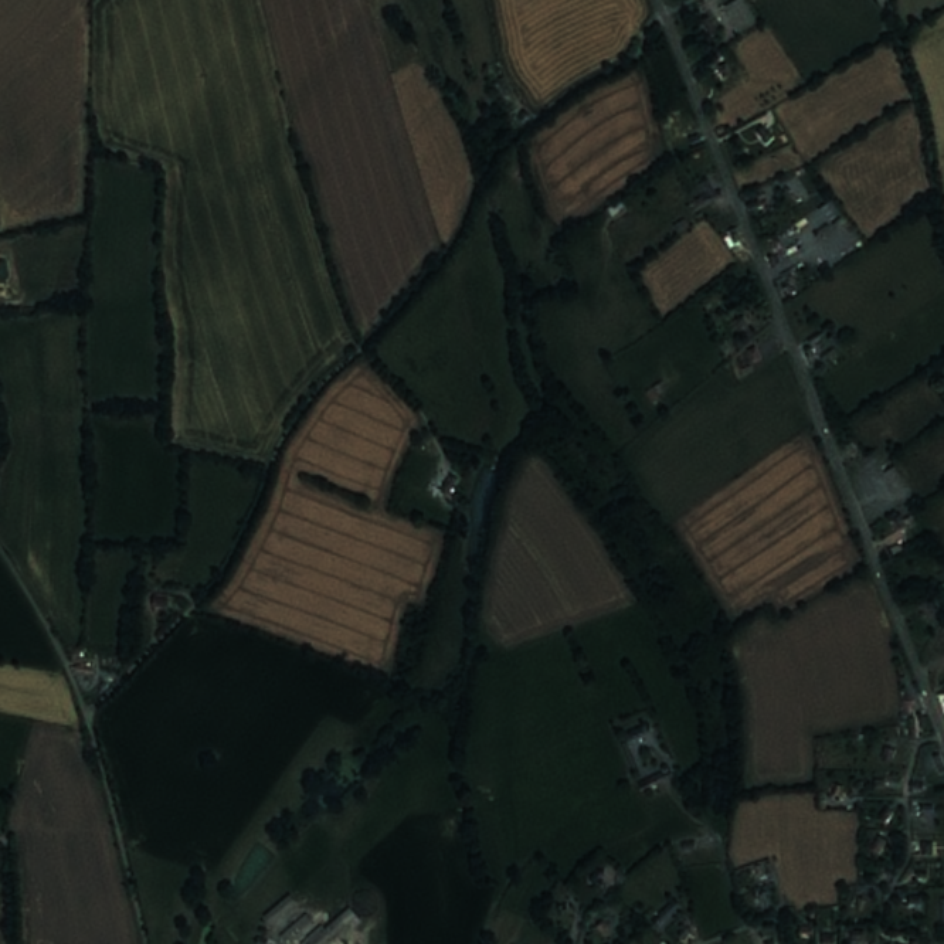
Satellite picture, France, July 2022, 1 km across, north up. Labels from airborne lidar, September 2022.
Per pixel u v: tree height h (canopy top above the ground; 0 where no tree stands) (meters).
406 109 0
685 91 9
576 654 12
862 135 11
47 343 0
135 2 0
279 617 0
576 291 18
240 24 0
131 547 13
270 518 0
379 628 0
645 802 0
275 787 0
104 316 0
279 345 0
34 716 0
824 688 0
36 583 0
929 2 0
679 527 0
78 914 0
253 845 0
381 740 9
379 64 0
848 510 10
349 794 7
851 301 0
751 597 0
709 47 19
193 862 0
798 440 0
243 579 0
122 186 0
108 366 0
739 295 10
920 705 0
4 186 0
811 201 0
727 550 0
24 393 0
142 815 0
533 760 0
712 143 0
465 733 15
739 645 0
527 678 0
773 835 0
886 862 6
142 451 0
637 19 0
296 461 0
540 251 0
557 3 0
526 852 0
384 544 0
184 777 0
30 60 0
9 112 0
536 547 0
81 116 0
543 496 0
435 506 0
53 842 0
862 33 0
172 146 0
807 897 0
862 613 0
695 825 0
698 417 0
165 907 0
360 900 0
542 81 0
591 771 0
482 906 0
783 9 0
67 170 0
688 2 0
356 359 9
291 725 0
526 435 14
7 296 0
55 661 0
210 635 0
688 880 7
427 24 0
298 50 0
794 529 0
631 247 0
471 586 18
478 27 0
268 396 0
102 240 0
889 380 0
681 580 0
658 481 0
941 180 12
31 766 0
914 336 0
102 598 0
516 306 15
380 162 0
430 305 0
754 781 0
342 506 0
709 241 0
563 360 0
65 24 0
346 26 0
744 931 0
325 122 0
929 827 0
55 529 0
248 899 0
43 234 10
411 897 0
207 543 0
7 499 0
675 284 0
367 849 0
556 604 0
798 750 0
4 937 8
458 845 0
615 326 0
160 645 10
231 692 0
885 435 0
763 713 0
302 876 0
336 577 0
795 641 0
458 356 0
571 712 0
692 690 15
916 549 9
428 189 0
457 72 0
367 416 0
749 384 0
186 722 0
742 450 0
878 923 8
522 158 10
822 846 0
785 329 0
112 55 0
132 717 0
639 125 0
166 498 0
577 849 0
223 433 0
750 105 0
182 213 0
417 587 0
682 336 0
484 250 0
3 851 9
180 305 0
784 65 0
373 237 0
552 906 10
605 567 0
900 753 0
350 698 0
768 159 0
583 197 0
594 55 0
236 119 0
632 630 0
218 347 0
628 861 0
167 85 0
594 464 8
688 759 0
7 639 0
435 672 0
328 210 0
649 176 9
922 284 0
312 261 0
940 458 0
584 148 0
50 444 0
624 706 0
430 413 0
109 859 0
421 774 0
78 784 0
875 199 0
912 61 15
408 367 0
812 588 0
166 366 12
